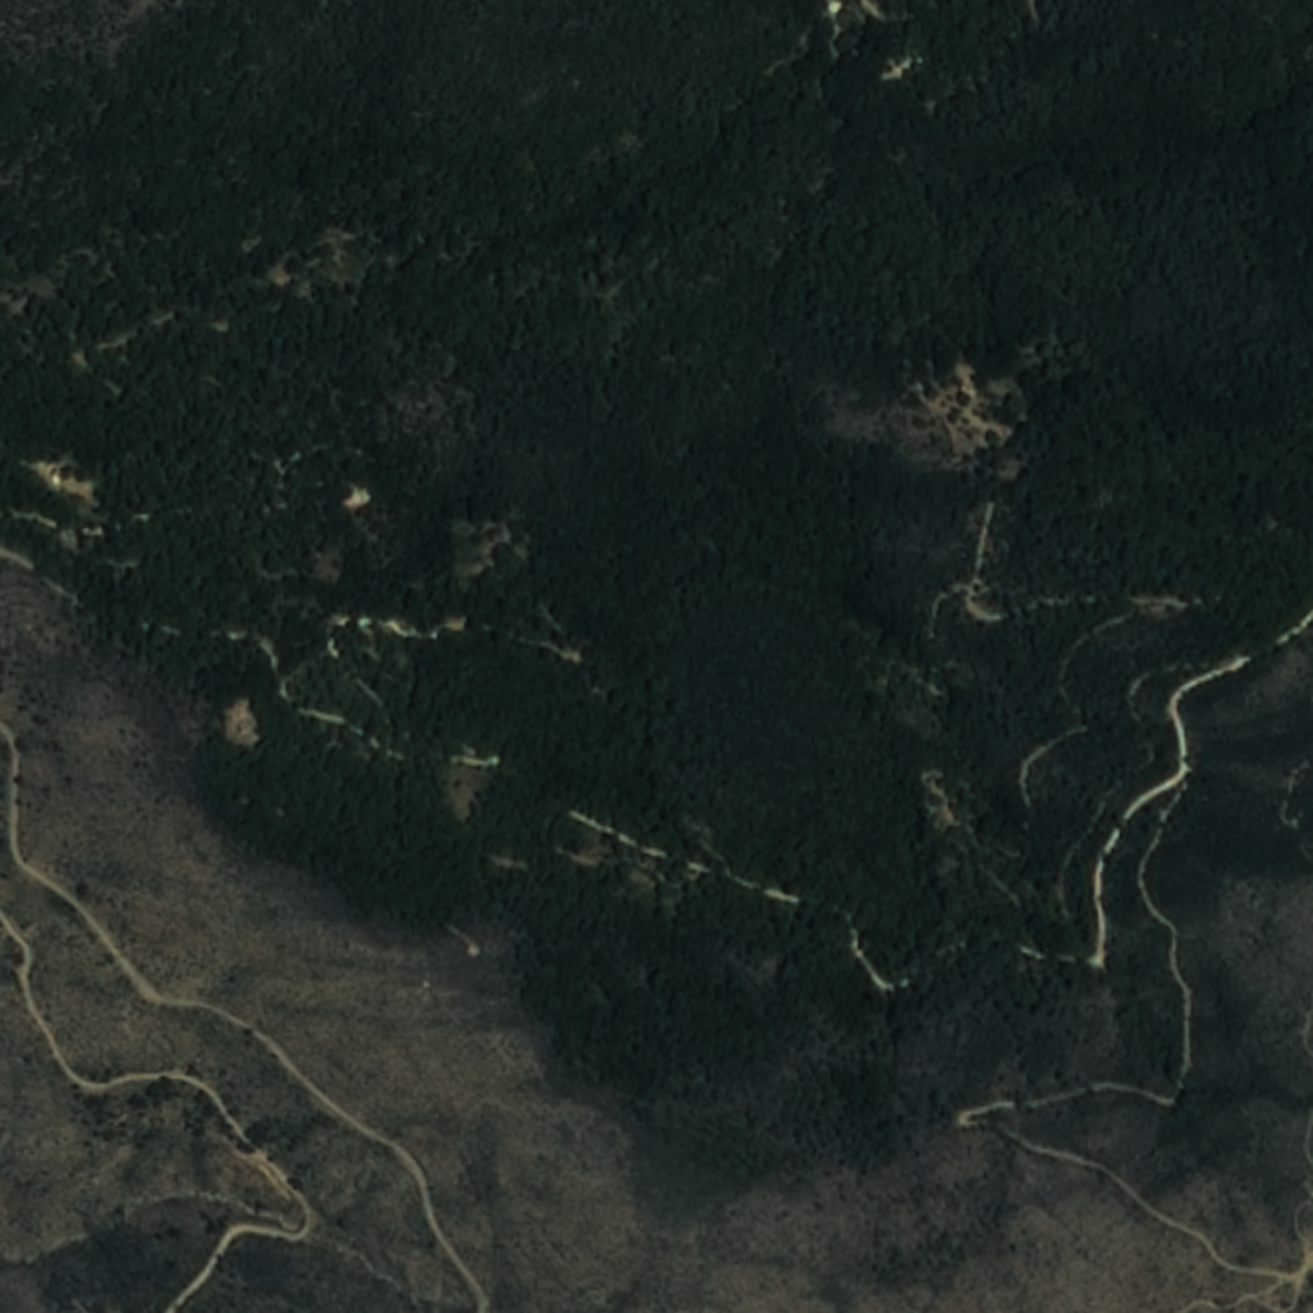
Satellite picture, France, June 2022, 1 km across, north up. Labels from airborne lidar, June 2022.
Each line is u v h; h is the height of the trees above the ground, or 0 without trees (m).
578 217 9
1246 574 9
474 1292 0
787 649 6
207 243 10
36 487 9
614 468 6
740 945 14
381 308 12
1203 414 16
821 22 14
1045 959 8
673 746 8
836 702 8
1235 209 17
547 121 10
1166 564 14
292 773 11
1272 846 6
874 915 10
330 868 12
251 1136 12
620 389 12
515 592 11
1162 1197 7
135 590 14
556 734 8
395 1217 0
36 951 0
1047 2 15
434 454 6
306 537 9
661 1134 10
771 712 10
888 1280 6
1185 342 7
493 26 12
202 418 15
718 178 12
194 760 10
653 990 11
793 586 8
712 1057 14
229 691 10
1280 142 15
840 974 18
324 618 12
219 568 10
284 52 6
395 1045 0
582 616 8
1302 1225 0
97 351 13
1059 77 7
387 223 20
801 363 10
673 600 16
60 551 6
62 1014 0
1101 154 17
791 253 16
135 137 17
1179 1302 0
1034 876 15
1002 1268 0
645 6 9
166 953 0
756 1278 0
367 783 15
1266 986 0
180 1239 10
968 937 9
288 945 0
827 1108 13
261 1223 0
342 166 16
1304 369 13
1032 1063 13
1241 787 6
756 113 15
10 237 13
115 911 0
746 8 10
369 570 10
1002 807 12
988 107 16
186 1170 0
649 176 13
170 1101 15
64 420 9
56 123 11
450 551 17
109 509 9
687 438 11
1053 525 12
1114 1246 0
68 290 20
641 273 9
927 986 13
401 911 14
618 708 9
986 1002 13
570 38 7
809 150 11
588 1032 17
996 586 9
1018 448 17
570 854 14
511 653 8
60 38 5
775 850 7
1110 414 20
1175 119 15
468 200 10
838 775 17
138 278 17
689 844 14
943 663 7
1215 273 16
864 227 11
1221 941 0
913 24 12
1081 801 8
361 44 11
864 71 15
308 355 11
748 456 16
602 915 12
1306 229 12
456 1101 0
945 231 9
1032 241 6
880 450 11
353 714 12
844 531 16
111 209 11
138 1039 0
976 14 12
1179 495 18
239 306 16
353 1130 0
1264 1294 0
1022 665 7
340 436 11
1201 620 7
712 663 8
